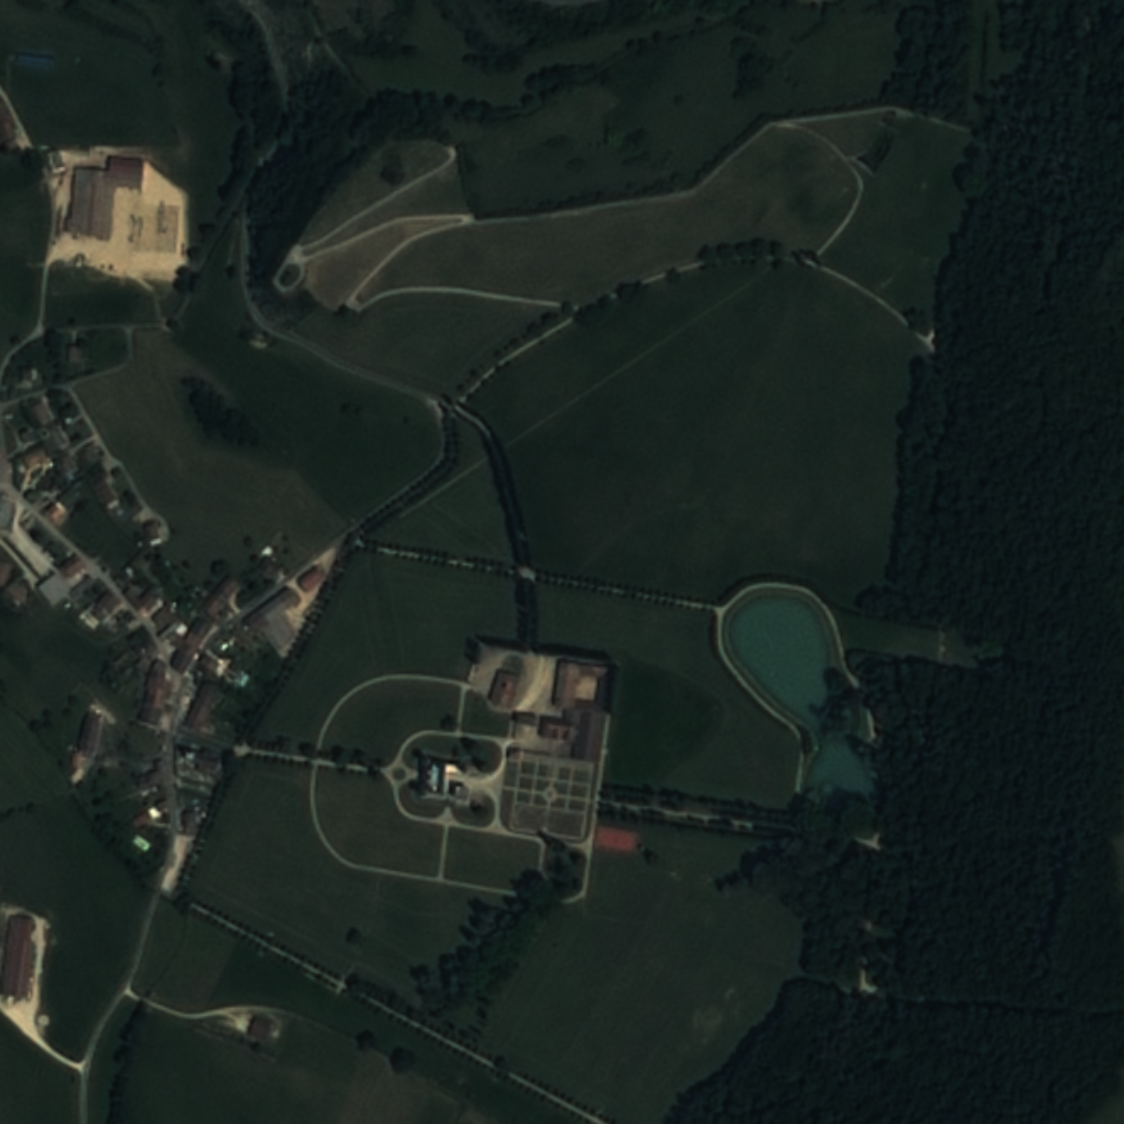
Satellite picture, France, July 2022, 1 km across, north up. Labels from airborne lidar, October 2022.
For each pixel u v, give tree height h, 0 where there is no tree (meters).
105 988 0
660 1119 0
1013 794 22
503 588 0
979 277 16
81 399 0
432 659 0
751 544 0
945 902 20
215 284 0
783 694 0
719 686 0
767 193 0
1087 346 15
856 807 34
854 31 0
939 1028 22
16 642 0
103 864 0
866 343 0
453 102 18
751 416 0
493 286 0
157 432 0
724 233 0
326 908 0
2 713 0
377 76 0
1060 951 9
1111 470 17
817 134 0
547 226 0
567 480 0
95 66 0
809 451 0
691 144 0
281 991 0
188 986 0
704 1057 0
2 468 0
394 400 0
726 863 0
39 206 0
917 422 29
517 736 0
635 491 0
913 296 0
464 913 0
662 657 0
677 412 0
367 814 0
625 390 0
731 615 0
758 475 0
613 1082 0
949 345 17
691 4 10
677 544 0
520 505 26
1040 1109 29
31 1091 0
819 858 31
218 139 0
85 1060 0
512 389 0
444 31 0
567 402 0
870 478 0
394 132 12
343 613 0
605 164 0
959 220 0
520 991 0
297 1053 0
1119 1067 9
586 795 0
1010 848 25
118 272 0
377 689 0
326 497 0
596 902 0
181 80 0
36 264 0
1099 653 20
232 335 0
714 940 0
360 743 0
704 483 0
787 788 0
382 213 0
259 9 0
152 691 0
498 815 0
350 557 8
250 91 22
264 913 0
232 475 0
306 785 0
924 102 13
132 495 7
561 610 0
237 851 0
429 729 0
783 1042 28
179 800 0
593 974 0
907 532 26
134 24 0
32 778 0
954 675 20
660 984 0
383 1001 9
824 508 0
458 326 0
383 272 0
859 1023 21
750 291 0
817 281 0
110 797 6
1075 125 28
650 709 0
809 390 0
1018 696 27
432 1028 7
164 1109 0
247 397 0
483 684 0
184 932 0
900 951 22
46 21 0
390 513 7
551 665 0
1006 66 0
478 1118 0
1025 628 22
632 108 0
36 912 0
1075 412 19
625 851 0
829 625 0
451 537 0
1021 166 13
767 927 0
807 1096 31
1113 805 12
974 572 20
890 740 21
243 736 9
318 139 15
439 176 0
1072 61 17
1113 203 15
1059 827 21
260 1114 0
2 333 0
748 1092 25
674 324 0
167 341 0
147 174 0
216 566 10
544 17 6
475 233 0
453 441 7
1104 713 12
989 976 24
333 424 0
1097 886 13
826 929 23
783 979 0
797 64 0
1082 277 15
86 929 0
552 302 0
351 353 0
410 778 0
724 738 0
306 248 0
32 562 0
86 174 0
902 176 0
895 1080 28
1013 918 26
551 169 0
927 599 27
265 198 10
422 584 0
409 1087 0
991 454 24
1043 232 23
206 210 0
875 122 0
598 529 0
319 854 0
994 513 27
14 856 0
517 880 0
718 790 0
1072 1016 15
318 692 0
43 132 0
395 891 0
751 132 8
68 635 0
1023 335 21
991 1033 24
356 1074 0
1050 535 19
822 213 0
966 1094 29
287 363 0
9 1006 0
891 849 27
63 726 0
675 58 0
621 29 9
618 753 0
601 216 0
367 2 0
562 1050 0
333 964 0
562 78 13
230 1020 0
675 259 0
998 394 23
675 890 0
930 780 27
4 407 0
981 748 21
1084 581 16
